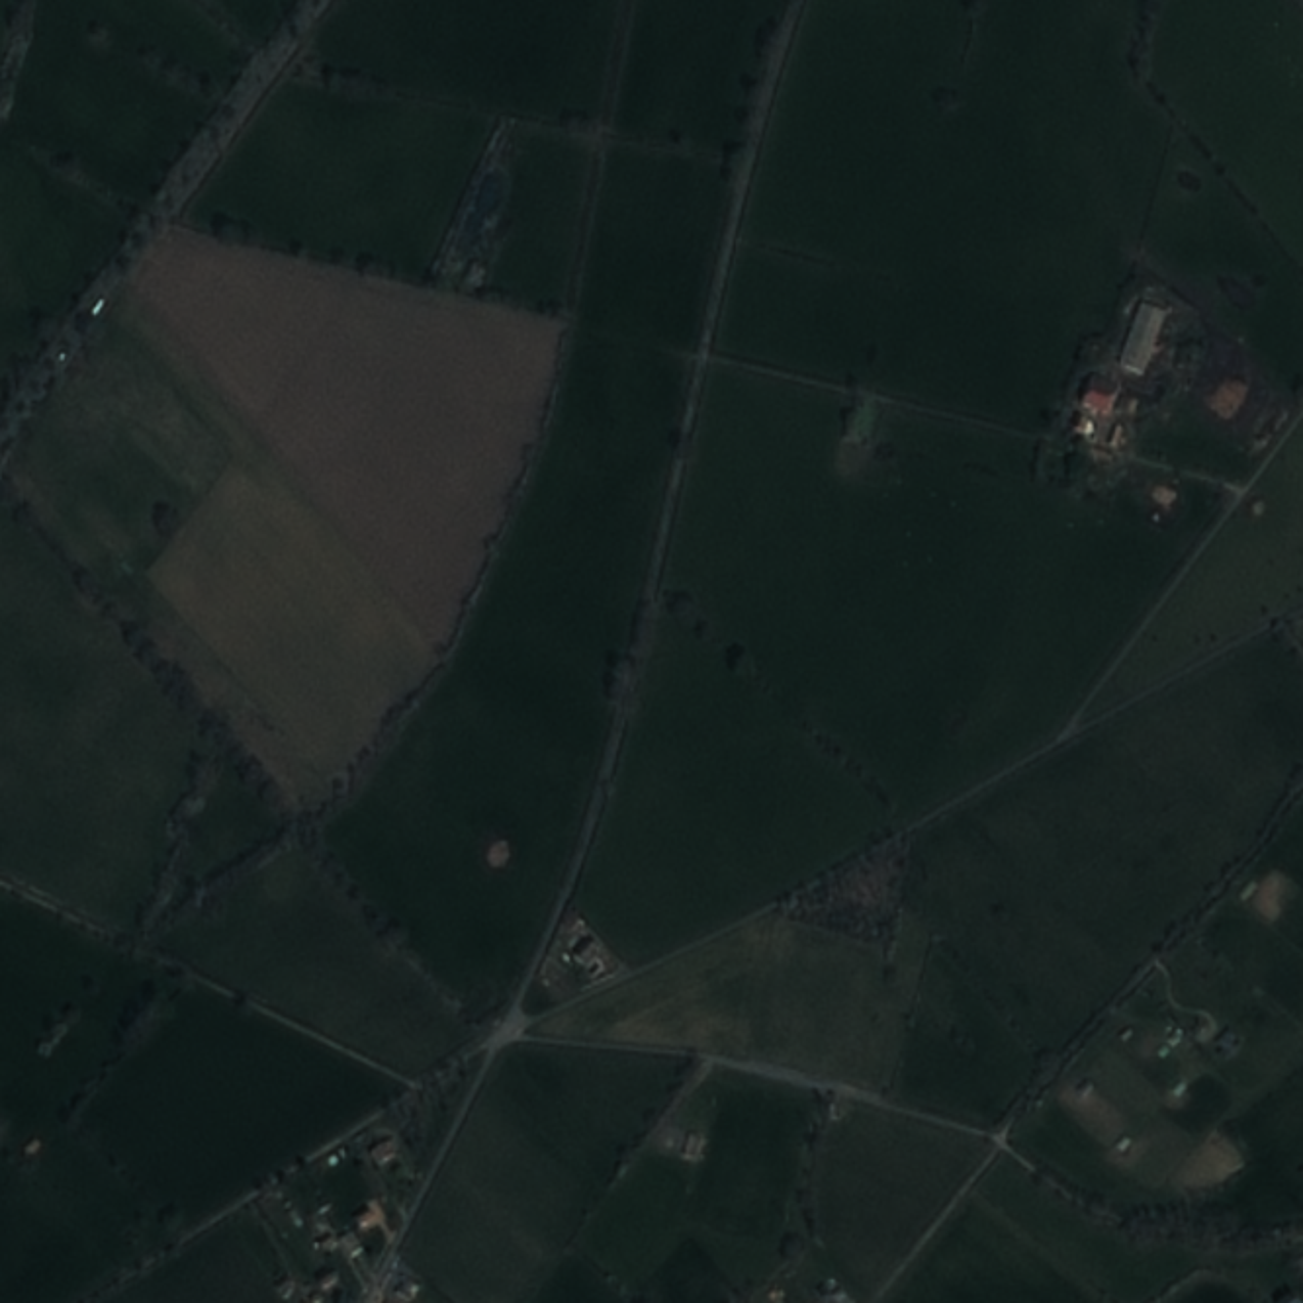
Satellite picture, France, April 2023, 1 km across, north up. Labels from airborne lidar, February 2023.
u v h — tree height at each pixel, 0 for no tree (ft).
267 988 0
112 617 53
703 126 0
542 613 0
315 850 49
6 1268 0
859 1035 0
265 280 0
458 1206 0
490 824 0
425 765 0
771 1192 0
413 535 0
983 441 0
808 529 0
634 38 0
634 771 0
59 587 0
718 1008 0
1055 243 0
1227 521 0
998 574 0
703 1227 0
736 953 0
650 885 0
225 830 0
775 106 0
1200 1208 32
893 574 0
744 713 0
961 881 0
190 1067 0
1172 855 0
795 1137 0
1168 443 0
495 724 0
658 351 0
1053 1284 0
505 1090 0
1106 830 0
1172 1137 0
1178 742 0
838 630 0
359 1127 0
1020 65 0
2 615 0
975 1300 0
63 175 31
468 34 0
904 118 0
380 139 0
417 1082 0
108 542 0
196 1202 0
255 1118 0
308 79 27
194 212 0
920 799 0
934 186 0
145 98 0
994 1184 0
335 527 0
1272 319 0
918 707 0
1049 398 0
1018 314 0
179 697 65
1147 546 0
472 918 0
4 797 0
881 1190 0
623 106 0
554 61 0
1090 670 0
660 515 0
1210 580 0
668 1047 0
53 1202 0
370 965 0
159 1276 0
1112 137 0
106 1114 0
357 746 0
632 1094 0
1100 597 0
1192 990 0
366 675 0
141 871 0
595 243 0
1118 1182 0
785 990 0
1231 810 0
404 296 0
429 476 0
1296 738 0
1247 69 0
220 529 0
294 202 0
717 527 0
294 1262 0
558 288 0
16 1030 0
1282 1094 0
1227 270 0
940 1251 0
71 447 0
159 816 0
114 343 0
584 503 0
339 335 0
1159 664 0
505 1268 0
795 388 0
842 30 0
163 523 45
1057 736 0
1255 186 0
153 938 32
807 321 0
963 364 0
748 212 0
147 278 0
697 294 0
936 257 0
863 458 0
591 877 0
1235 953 0
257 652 0
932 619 0
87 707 0
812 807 0
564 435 0
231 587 0
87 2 0
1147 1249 55
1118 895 0
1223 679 0
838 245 0
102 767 0
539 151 0
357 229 0
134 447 0
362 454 0
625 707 49
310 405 0
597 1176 0
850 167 0
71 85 0
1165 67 0
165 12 0
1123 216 0
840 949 0
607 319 0
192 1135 0
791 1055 0
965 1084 0
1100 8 0
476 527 0
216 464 0
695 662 0
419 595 0
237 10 0
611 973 0
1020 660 0
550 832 0
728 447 0
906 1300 0
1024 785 0
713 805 0
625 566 0
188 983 49
